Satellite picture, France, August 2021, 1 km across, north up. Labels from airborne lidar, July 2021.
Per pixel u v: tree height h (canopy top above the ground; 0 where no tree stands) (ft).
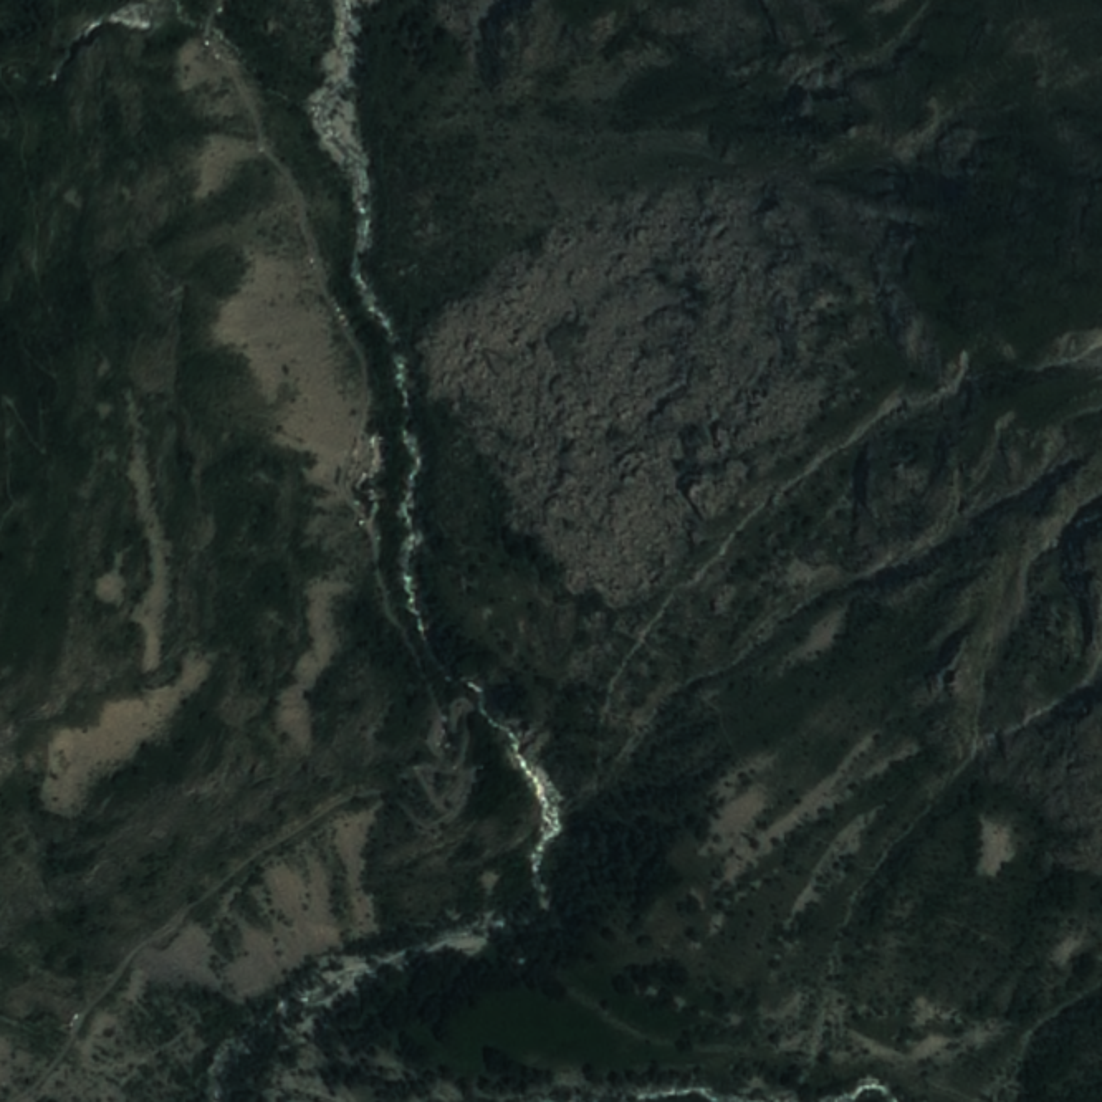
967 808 22
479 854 32
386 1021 60
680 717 22
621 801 18
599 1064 0
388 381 21
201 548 34
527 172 0
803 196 0
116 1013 0
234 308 0
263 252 0
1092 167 0
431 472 18
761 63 22
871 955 23
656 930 0
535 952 68
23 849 24
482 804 54
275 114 0
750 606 20
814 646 0
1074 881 28
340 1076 67
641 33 20
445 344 0
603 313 0
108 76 22
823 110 0
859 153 0
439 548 41
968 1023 20
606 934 40
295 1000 38
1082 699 23
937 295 0
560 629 0
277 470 20
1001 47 0
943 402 0
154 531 0
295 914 0
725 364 0
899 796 0
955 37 0
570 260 0
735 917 30
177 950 0
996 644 0
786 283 0
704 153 0
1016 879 24
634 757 28
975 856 18
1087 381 0
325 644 0
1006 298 0
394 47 27
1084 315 0
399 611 28
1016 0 0
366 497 21
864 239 0
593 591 22
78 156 0
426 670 39
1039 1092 27
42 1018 40
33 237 0
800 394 0
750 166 0
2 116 0
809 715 0
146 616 0
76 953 25
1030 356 0
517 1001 0
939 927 18
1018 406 0
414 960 34
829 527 0
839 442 0
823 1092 38
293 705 0
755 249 0
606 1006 29
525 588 0
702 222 0
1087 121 0
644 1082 39
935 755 19
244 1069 38
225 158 0
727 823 0
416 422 23
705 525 0
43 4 52
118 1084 19
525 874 48
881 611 27
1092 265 0
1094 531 33
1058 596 0
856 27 0
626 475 0
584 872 30
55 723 0
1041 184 0
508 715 25
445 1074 50
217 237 0
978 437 0
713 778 24
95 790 0
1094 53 0
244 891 25
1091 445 0
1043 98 0
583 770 24
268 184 0
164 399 31
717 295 0
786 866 21
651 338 0
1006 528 0
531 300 0
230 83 0
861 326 0
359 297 20
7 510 0
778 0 0
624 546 0
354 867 0
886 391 0
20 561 0
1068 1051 23
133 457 19
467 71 0
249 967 0
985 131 0
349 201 18
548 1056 0
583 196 0
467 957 41
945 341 0
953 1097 0
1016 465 0
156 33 0
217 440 19
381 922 37
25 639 0
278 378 0
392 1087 49
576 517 0
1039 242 0
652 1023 0
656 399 0
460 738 24
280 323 0
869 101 0
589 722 23
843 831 0
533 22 0
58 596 0
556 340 0
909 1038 24
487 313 0
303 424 0
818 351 18
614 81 0
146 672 0
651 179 0
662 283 33
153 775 0
